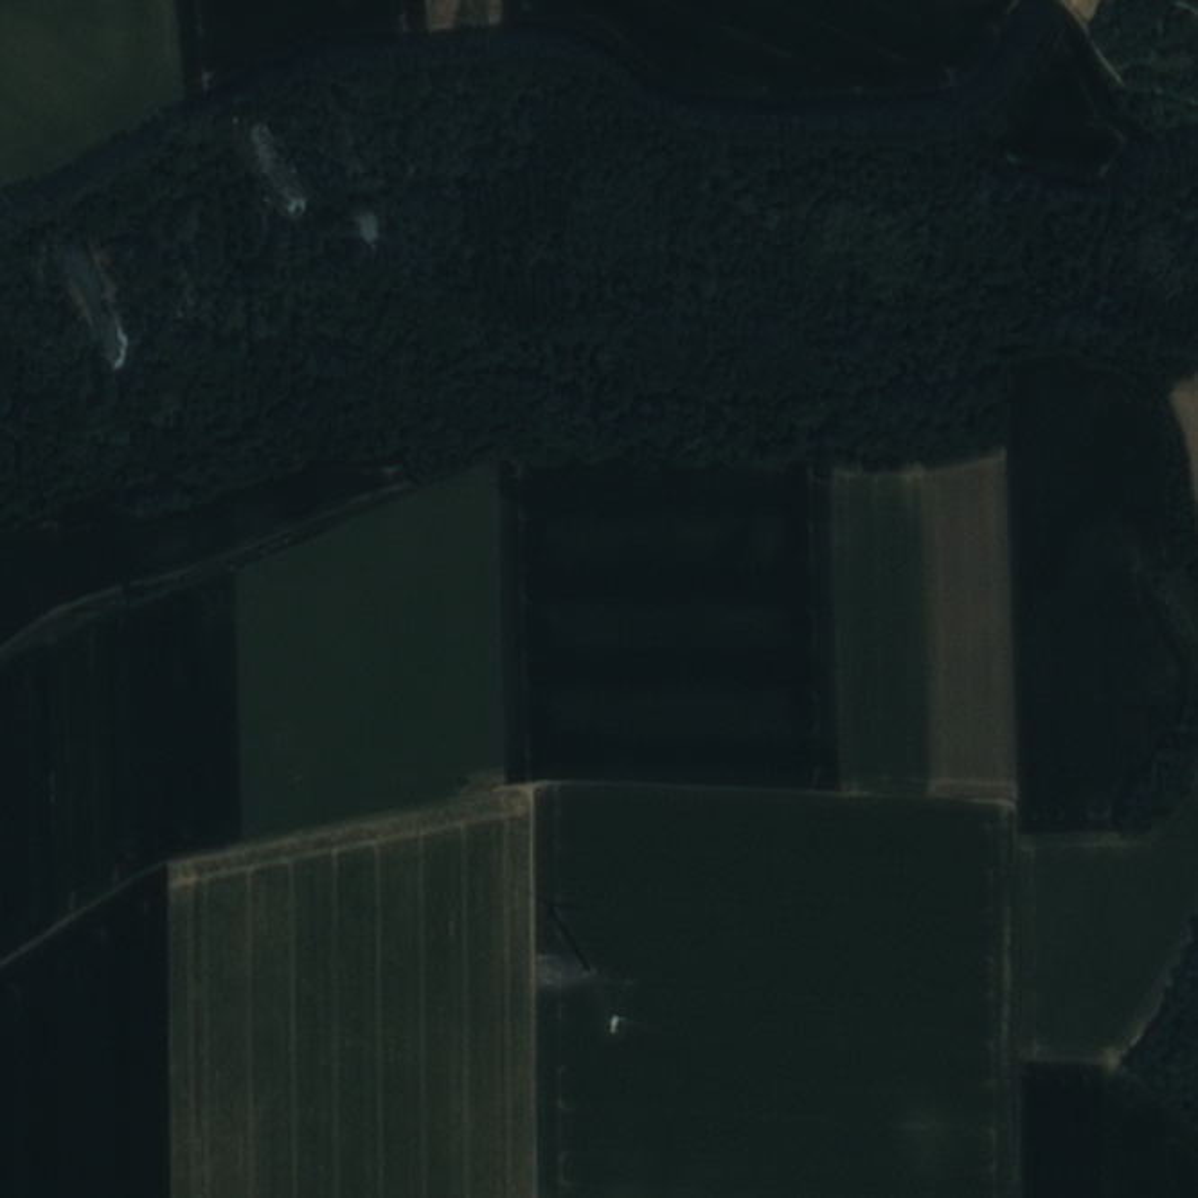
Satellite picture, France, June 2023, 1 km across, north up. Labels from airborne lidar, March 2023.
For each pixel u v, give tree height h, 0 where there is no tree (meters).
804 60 0
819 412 18
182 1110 0
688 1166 0
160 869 0
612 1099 0
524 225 32
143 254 34
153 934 0
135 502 18
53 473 24
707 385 18
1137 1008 0
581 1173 0
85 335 24
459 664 0
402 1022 0
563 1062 0
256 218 22
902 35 0
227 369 22
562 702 0
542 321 30
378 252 18
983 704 0
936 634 0
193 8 0
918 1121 0
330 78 6
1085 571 0
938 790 0
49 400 19
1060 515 0
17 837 0
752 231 22
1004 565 0
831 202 23
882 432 26
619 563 0
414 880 0
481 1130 0
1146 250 26
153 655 0
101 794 0
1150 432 0
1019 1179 0
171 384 24
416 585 0
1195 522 7
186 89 0
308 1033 0
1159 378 9
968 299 19
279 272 26
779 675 0
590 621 0
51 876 0
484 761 0
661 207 22
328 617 0
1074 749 0
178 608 0
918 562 0
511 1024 0
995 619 0
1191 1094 20
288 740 0
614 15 0
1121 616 0
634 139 20
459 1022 0
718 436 28
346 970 0
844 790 0
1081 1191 0
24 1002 0
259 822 0
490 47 31
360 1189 0
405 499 0
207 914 0
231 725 0
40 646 0
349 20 0
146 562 0
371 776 0
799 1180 0
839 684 0
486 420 19
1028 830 0
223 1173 0
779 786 0
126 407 21
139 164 24
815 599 0
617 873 0
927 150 19
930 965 0
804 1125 0
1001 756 0
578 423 27
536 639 0
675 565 0
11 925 0
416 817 0
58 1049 0
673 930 0
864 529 0
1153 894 0
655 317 35
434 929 0
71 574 0
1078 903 0
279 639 0
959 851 0
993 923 0
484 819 0
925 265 22
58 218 12
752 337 39
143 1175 0
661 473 0
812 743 0
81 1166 0
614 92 28
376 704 0
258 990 0
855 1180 0
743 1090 0
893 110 27
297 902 0
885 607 0
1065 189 20
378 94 18
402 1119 0
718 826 0
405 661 0
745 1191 0
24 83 0
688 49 0
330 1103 0
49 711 0
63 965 0
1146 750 0
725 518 0
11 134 0
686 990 0
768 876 0
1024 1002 0
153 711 0
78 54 0
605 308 25
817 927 0
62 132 0
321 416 25
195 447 10
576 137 30
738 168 21
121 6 0
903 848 0
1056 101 0
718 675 0
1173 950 0
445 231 24
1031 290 6
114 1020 0
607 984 0
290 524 0
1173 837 0
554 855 0
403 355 23
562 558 0
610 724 0
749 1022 0
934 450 17
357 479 0
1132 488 0
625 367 32
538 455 16
